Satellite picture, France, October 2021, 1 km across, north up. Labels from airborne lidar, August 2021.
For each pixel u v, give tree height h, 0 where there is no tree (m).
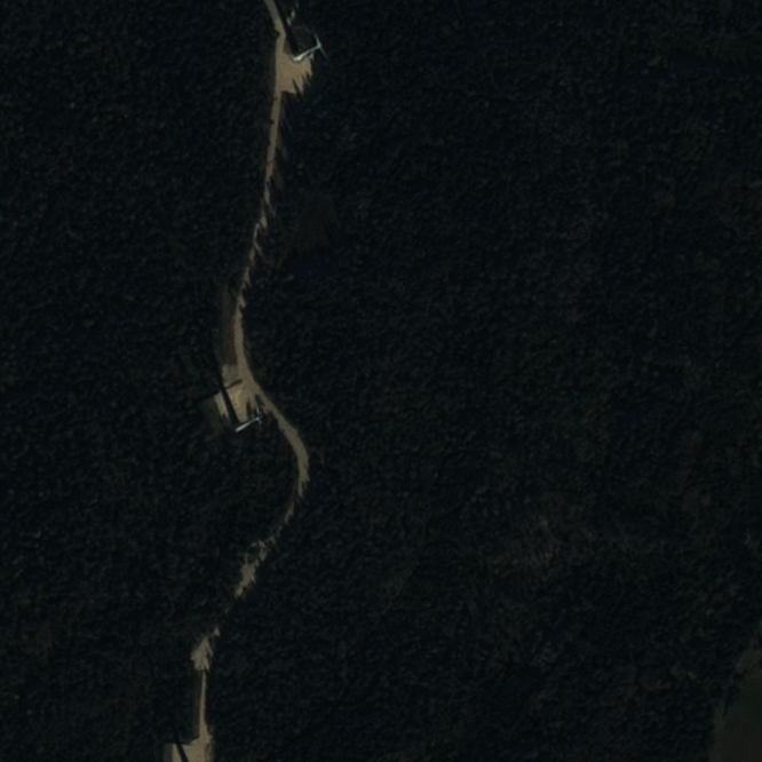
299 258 0
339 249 27
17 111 17
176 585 9
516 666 24
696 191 20
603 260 7
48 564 10
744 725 0
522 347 14
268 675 20
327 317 20
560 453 13
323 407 23
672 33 10
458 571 6
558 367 19
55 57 16
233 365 0
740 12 14
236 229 14
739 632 20
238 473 11
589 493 22
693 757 29
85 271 19
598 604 18
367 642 7
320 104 14
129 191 6
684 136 22
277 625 15
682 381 14
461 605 11
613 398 12
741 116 18
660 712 20
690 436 27
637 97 21
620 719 29
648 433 24
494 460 17
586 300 27
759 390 25
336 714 21
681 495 21
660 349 20
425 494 6
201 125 6
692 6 21
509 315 17
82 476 21
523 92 15
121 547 26
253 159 25
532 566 7
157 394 14
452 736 10
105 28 13
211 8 22
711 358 14
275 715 15
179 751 0
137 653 17
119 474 17
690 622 17
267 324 15
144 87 6
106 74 13
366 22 21
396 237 18
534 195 12
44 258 9
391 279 26
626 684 19
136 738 17
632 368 15
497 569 18
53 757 20
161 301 15
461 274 16
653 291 29
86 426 17
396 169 15
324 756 8
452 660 8
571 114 23
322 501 24
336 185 16
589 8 11
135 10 15
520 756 26
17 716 17
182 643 13
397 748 8
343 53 15
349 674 9
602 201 16
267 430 16
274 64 0
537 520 7
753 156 31
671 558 22
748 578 32
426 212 13
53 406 14
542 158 17
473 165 17
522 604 24
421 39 18
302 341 15
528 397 19
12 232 18
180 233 21
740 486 22
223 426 0
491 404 13
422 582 10
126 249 13
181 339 6
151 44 19
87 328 5
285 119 0
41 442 8
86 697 18
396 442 13
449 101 19
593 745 24
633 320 13
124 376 25
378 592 17
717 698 20
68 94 17
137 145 20
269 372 17
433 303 18
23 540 17
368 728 19
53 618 11
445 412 9
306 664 13
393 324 18
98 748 28
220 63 20
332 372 27
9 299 11
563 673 15
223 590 11
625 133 10
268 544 0
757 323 21
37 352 31
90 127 17
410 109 10
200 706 0
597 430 16
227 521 6
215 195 20
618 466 10
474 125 21
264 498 11
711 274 18
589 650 25
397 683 14
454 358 11
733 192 13
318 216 0
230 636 23
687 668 25
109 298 8
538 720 22
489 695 27
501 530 20
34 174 20
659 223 22
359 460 16
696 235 26
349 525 18
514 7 25
